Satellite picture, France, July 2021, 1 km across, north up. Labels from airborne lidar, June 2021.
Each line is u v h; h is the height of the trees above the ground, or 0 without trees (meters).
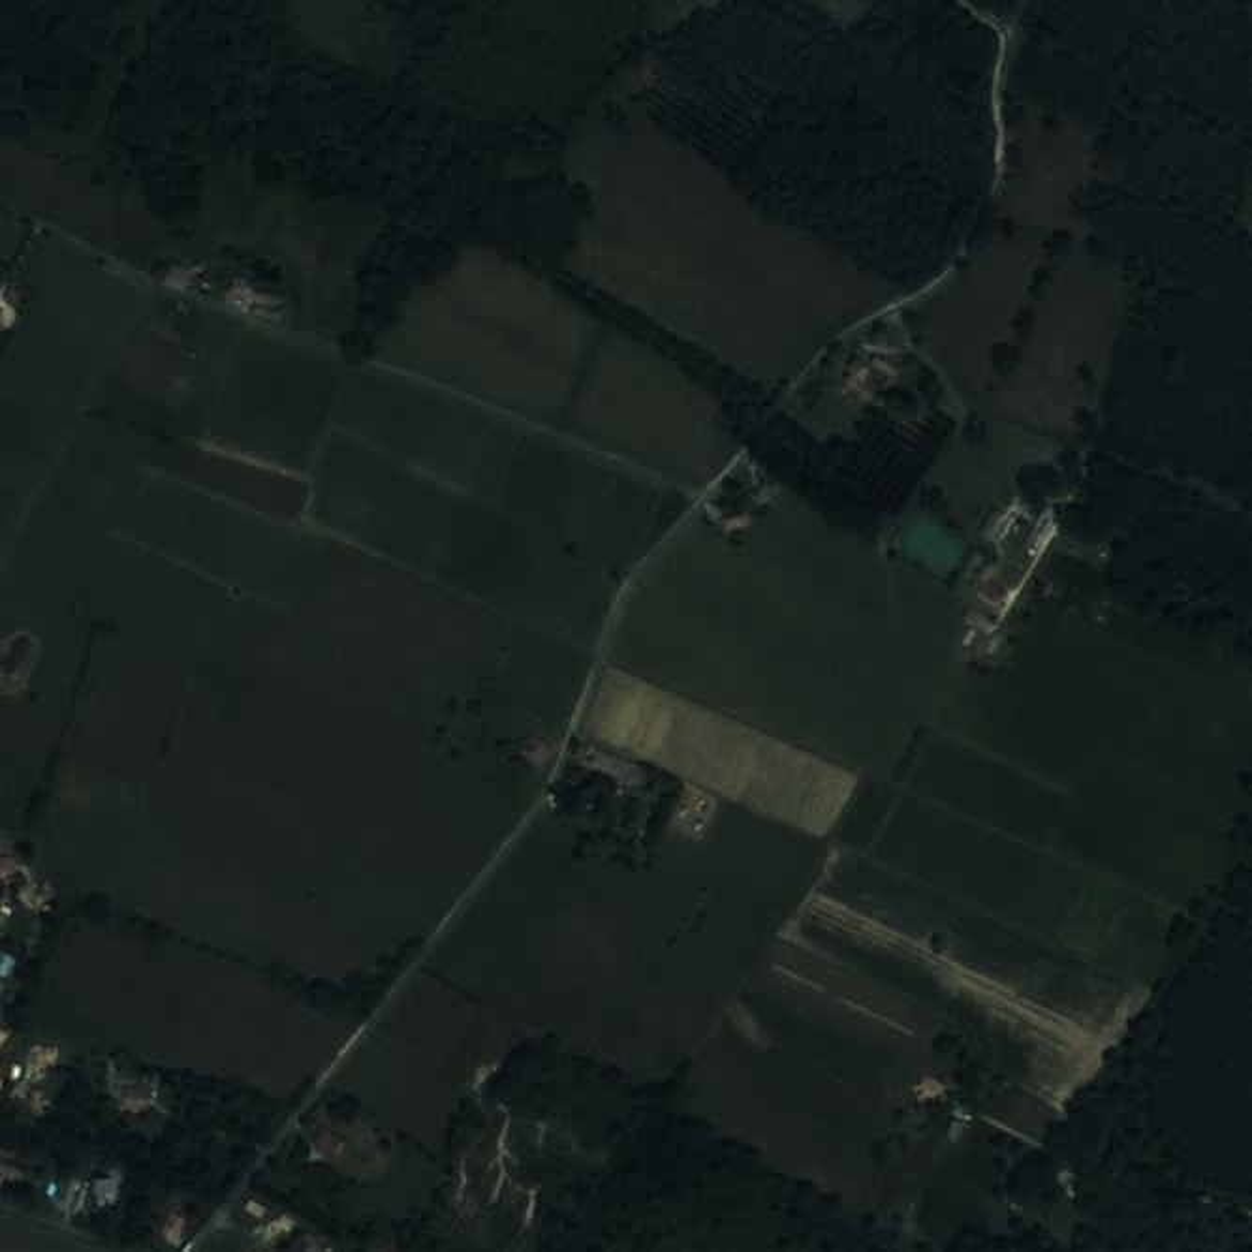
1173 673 0
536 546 0
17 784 0
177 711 0
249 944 0
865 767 0
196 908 0
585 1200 26
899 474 24
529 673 0
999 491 0
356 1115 11
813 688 0
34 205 0
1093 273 0
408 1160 0
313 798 0
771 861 0
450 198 26
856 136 28
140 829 0
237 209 0
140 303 0
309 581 0
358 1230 10
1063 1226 0
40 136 0
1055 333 0
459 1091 0
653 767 7
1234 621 23
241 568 0
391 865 0
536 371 0
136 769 0
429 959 0
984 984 0
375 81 8
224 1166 6
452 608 0
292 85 20
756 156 24
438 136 16
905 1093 0
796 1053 0
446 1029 0
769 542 0
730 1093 0
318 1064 0
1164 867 0
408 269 24
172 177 9
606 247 0
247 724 0
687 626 0
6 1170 20
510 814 0
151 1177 17
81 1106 22
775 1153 0
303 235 0
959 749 0
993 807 0
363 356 18
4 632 0
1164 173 11
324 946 0
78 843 0
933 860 0
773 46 23
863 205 24
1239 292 14
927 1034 0
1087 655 0
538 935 0
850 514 24
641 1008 0
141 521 0
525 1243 0
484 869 0
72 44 17
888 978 0
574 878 0
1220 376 6
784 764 0
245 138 32
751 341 0
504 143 23
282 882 0
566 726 0
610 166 0
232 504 0
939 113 25
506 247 18
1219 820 0
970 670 7
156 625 0
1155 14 17
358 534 0
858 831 0
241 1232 0
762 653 0
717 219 0
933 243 22
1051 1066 0
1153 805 0
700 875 0
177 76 14
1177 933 16
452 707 6
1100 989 0
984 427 19
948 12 13
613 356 0
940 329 0
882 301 0
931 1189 0
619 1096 7
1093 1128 20
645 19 6
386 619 0
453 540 0
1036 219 0
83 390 0
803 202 20
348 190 18
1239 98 15
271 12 8
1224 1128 8
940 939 6
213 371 0
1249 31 15
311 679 0
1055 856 0
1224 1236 31
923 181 28
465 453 0
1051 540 0
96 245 0
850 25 0
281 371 0
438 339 0
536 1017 0
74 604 0
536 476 0
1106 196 12
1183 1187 8
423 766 0
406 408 0
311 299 0
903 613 0
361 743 0
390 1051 0
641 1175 20
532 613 0
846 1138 0
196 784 0
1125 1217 21
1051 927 0
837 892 0
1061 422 0
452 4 11
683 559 0
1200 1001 8
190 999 0
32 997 15
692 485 0
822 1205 20
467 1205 0
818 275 0
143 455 0
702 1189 16
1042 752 0
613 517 0
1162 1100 7
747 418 15
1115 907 0
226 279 8
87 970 0
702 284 0
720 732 0
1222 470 6
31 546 0
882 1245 7
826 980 0
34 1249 0
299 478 0
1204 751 0
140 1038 0
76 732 0
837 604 0
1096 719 0
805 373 0
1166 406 6
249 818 0
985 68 15
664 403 0
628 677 0
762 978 0
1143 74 18
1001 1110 0
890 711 0
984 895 0
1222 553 18
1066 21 6
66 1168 21
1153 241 12
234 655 0
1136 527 19
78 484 0
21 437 0
